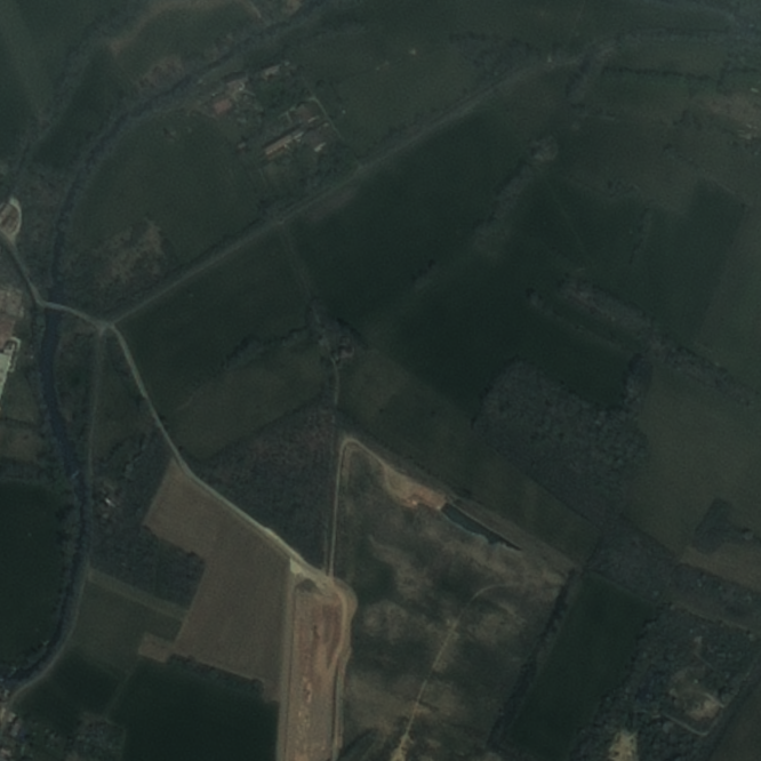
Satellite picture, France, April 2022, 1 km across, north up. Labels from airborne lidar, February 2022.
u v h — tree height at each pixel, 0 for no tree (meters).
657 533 0
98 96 0
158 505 0
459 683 0
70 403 17
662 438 0
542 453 15
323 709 0
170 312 0
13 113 0
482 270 0
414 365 0
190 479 0
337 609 0
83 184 17
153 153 0
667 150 10
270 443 8
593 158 0
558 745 0
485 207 0
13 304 0
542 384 16
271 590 0
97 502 12
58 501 0
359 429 20
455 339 0
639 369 23
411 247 0
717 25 0
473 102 0
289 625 0
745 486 0
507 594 0
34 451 0
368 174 0
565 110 0
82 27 0
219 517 0
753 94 0
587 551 0
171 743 0
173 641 0
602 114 13
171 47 0
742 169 0
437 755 0
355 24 20
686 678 0
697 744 8
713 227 0
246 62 0
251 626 0
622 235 0
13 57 0
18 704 0
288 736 0
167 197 0
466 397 0
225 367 11
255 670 0
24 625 0
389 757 0
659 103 0
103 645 0
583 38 0
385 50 0
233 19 0
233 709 0
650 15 0
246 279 0
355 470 0
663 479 0
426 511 0
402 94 0
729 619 0
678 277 0
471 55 20
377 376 0
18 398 0
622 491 20
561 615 0
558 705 0
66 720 0
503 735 0
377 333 0
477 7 0
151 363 0
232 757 0
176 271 6
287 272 0
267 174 0
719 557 0
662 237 0
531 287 0
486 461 0
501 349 0
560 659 0
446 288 0
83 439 8
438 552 0
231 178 0
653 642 7
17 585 0
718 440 0
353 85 0
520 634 0
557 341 0
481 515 0
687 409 0
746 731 0
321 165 15
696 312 0
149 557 15
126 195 0
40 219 10
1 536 0
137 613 0
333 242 0
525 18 0
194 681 0
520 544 0
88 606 0
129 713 0
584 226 0
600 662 0
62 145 0
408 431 0
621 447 20
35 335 13
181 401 0
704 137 0
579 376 0
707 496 0
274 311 0
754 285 0
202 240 0
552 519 0
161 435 15
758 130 0
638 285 0
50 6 0
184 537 0
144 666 0
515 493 0
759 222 0
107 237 0
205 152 0
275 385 0
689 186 0
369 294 0
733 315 0
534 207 0
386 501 0
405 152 0
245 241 0
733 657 7
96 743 6
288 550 0
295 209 0
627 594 0
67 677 0
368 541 0
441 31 0
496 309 0
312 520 14
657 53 0
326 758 0
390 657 0
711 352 0
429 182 0
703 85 12
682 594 0
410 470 0
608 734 12
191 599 18
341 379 0
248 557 0
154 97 17
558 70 0
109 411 0
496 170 0
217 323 0
